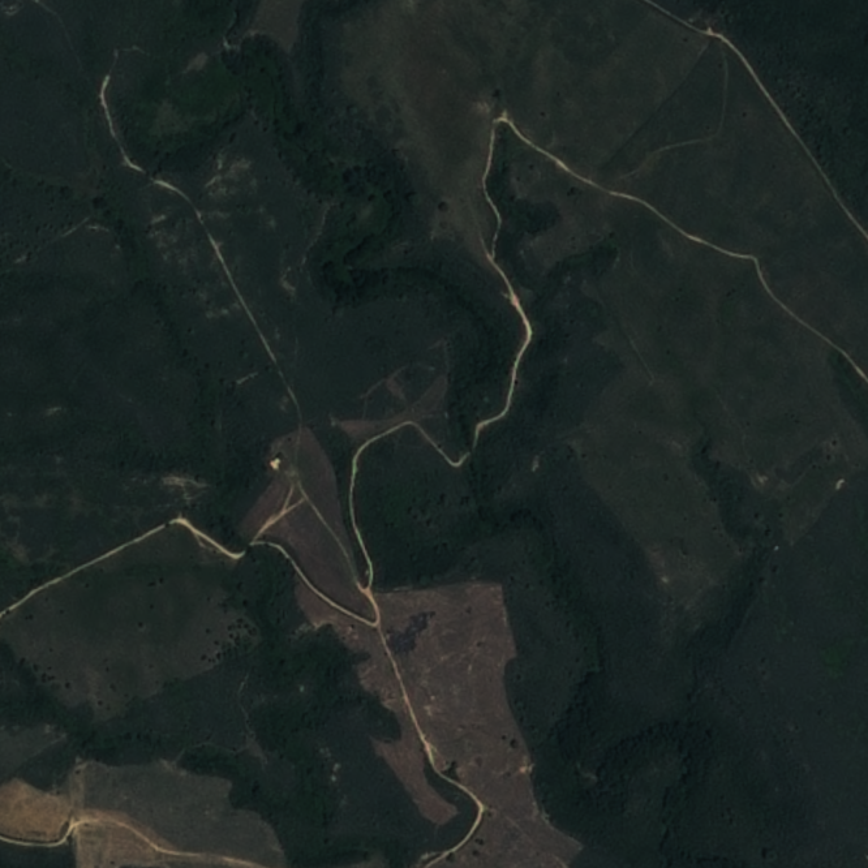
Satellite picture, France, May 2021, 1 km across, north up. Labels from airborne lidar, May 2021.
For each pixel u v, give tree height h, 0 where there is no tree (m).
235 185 0
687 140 0
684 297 0
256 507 0
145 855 0
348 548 0
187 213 0
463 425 11
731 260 0
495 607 0
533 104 0
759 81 0
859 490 0
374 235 8
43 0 0
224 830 0
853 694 0
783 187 0
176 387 0
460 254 0
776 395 0
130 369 0
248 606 11
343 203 8
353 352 0
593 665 7
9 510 0
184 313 0
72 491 0
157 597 0
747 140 0
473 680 0
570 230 0
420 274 11
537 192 0
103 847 0
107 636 0
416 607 0
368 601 0
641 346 0
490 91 0
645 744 20
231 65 20
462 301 10
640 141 0
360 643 0
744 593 8
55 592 0
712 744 15
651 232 0
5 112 0
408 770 0
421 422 0
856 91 6
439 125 0
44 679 6
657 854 8
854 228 0
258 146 0
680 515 0
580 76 0
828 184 0
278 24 0
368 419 0
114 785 0
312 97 6
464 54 0
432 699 0
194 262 0
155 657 0
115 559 0
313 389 0
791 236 0
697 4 7
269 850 0
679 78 0
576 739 21
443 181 0
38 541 0
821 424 0
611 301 0
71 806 0
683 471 0
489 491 5
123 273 0
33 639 0
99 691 0
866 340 0
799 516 0
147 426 0
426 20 0
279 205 0
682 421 0
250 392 0
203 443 7
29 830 0
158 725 0
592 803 15
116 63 0
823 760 0
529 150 0
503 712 0
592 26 0
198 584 0
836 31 5
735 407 0
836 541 0
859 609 0
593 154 0
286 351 0
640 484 0
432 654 0
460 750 0
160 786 0
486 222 0
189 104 0
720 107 0
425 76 0
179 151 7
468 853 0
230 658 6
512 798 0
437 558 7
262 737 6
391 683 0
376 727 0
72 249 0
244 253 0
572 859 0
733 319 0
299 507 0
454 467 0
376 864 0
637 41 0
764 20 6
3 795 0
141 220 0
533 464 0
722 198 0
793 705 0
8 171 6
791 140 0
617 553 0
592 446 0
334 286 15
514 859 0
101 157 0
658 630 0
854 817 0
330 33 0
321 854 6
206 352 0
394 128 0
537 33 0
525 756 0
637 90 0
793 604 0
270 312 0
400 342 0
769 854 12
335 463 5
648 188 0
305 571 0
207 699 0
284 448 0
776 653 0
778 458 0
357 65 0
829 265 0
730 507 8
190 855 0
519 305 0
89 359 0
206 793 0
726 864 21
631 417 0
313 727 6
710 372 0
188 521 0
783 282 0
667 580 0
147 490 0
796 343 0
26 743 0
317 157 9
